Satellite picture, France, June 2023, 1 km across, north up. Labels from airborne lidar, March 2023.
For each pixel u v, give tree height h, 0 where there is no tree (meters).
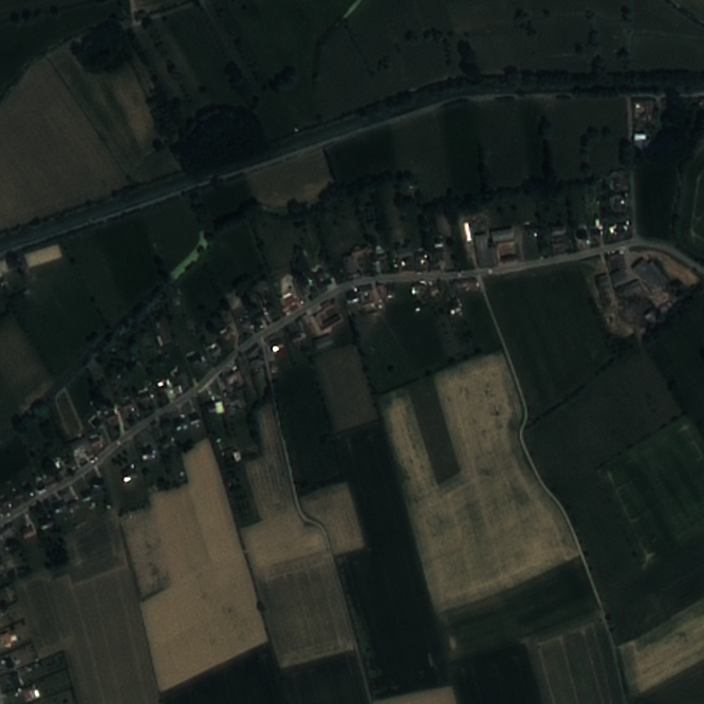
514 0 0
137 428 0
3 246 0
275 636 0
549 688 0
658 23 0
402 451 0
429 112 0
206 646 0
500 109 0
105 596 0
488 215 0
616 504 0
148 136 0
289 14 0
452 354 0
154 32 15
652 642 0
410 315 0
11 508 0
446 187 0
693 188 0
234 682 0
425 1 0
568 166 0
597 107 0
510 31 0
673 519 0
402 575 0
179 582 0
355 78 0
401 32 0
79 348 0
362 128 0
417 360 0
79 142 0
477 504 0
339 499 0
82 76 0
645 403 0
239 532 0
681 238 0
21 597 0
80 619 0
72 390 0
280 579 0
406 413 0
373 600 0
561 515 0
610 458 0
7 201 0
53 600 0
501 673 0
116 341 11
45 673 0
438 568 0
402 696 0
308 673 0
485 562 0
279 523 0
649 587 0
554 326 0
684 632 0
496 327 0
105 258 0
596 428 0
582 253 0
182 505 0
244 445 0
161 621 0
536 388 0
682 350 0
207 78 0
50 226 0
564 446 0
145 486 0
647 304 0
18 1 0
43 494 0
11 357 0
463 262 0
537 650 0
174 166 0
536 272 0
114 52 20
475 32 0
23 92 0
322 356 0
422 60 0
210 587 0
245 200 0
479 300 0
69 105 0
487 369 0
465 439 0
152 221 0
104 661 0
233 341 0
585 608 0
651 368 0
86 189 0
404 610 0
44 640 0
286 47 0
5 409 0
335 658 0
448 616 0
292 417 0
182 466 0
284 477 0
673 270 0
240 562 0
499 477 0
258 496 0
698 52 0
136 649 0
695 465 0
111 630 0
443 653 0
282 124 0
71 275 0
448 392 0
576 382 0
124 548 0
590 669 0
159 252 0
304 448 0
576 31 0
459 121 0
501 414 0
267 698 0
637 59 0
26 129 0
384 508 0
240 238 0
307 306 0
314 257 0
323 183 0
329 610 0
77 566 0
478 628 0
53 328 0
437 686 0
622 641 0
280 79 14
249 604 0
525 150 0
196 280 0
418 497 0
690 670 0
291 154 0
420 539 0
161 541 0
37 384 0
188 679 0
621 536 0
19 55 0
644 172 0
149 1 0
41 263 0
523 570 0
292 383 0
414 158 0
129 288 0
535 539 0
